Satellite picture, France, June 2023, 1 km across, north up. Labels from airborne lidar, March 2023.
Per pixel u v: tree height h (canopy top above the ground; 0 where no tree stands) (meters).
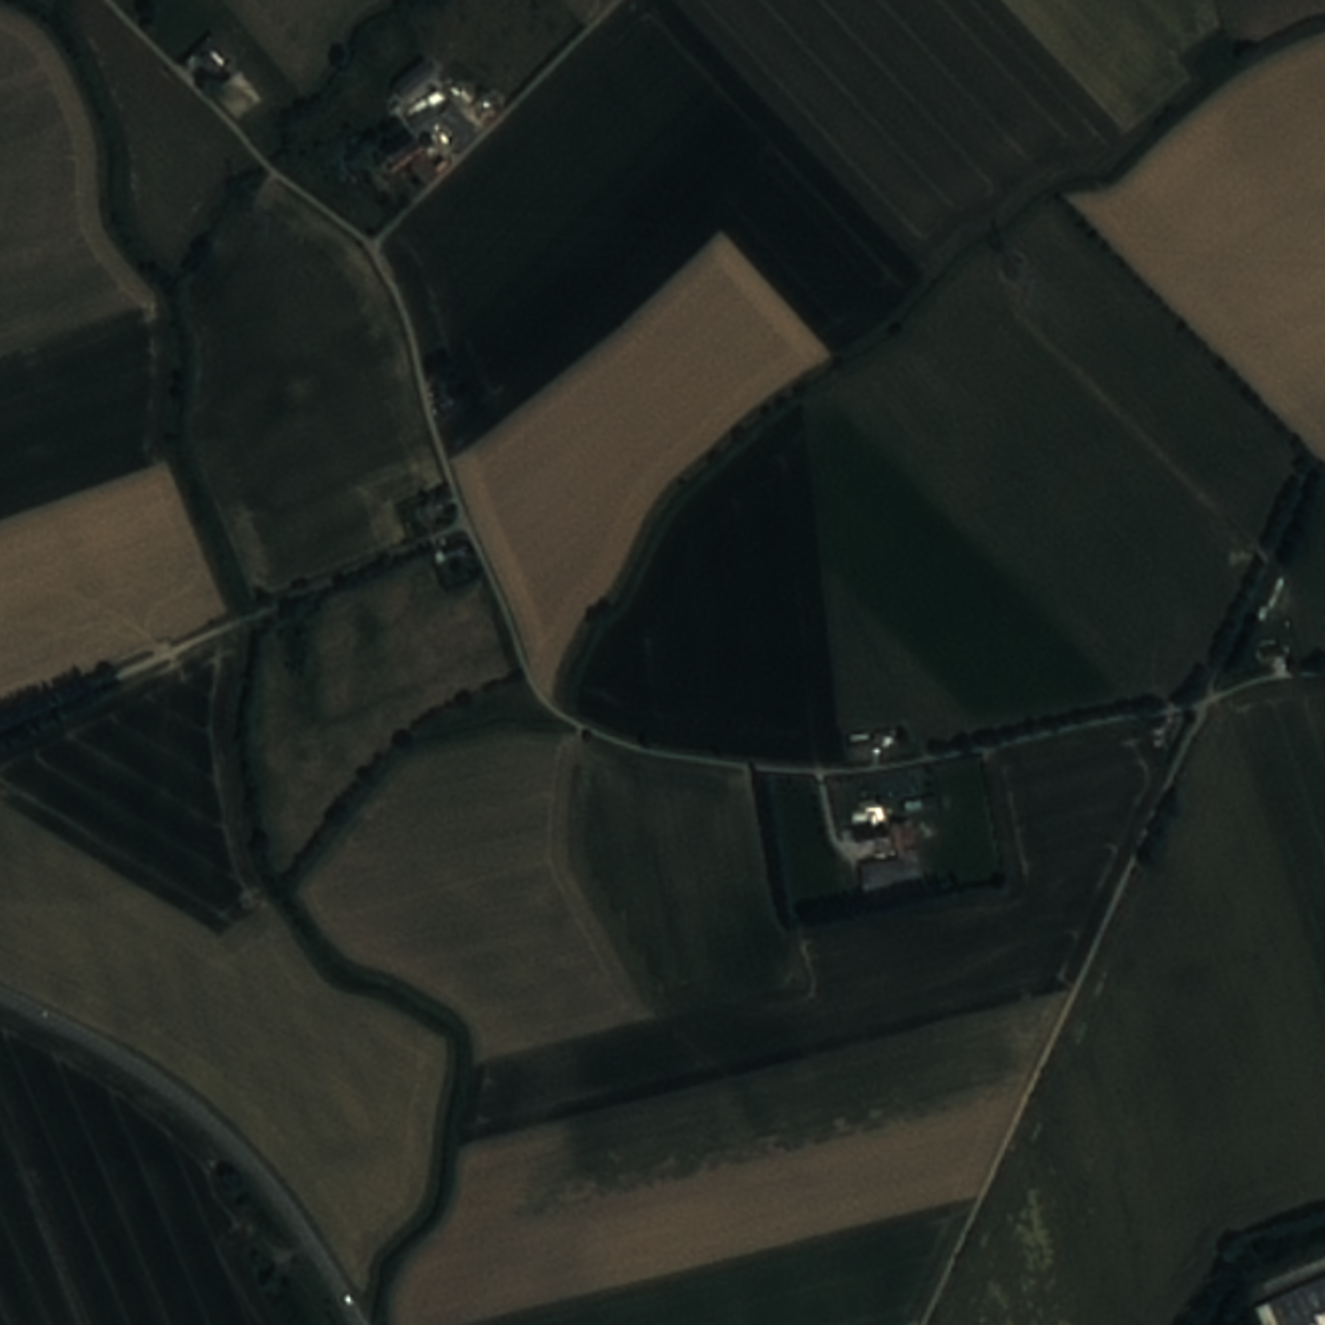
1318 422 0
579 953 0
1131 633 0
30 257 0
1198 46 0
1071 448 0
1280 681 0
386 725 0
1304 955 0
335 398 0
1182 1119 0
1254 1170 0
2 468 0
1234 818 0
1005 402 0
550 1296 0
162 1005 0
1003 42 0
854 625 0
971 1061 0
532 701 0
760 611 0
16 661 0
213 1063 0
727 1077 0
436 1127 0
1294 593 0
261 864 6
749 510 0
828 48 0
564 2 0
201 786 0
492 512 0
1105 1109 0
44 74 0
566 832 0
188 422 0
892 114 0
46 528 0
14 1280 0
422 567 0
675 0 0
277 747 0
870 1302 0
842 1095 0
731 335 0
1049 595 0
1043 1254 0
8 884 0
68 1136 0
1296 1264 0
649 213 0
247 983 0
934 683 0
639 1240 0
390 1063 0
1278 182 0
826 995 0
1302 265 0
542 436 0
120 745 0
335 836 0
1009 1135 0
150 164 0
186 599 0
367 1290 0
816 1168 0
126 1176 0
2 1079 0
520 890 0
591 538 0
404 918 0
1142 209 0
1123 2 0
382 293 0
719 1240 0
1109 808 0
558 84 0
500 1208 0
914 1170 0
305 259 0
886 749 0
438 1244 0
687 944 0
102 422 0
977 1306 0
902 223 0
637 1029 0
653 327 0
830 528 0
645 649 0
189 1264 0
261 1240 0
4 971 0
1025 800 0
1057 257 0
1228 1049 0
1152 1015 0
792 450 0
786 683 0
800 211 0
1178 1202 0
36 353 0
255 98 0
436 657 0
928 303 0
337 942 0
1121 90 0
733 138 0
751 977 0
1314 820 0
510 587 0
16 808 0
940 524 0
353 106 0
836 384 0
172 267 0
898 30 0
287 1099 0
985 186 0
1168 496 0
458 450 0
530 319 0
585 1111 0
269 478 0
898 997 0
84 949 0
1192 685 9
